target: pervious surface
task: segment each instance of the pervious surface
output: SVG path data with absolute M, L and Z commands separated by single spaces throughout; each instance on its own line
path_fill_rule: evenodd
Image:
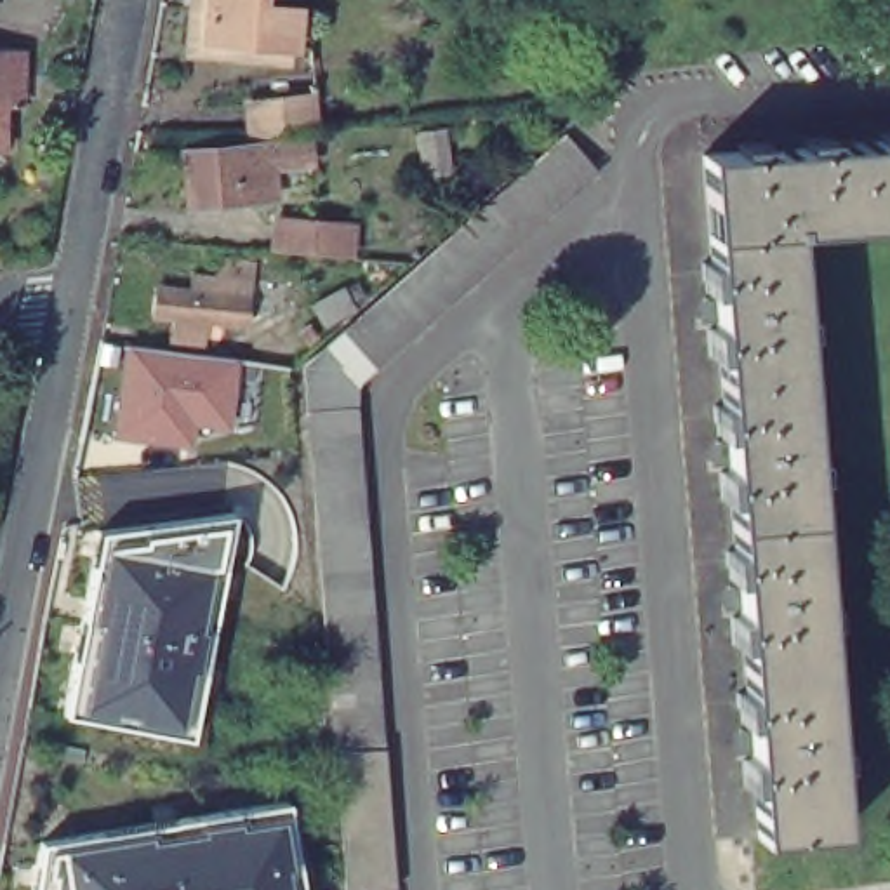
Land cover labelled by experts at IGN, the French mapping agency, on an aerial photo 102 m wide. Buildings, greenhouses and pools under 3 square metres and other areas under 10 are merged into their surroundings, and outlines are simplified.
M 734 841 L 716 845 L 720 880 L 727 890 L 758 890 L 751 855 L 744 855 Z

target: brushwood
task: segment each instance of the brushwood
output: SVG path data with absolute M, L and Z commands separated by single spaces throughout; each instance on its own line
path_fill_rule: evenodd
M 129 747 L 87 747 L 87 751 L 87 761 L 80 770 L 177 787 L 181 779 L 177 772 L 160 768 L 160 756 L 132 754 Z
M 337 97 L 320 108 L 320 118 L 323 125 L 341 129 L 393 118 L 396 104 L 355 108 Z
M 247 125 L 184 118 L 153 122 L 143 129 L 149 146 L 153 153 L 174 163 L 181 156 L 184 149 L 243 146 L 250 136 Z
M 243 257 L 261 264 L 261 250 L 271 247 L 264 240 L 174 233 L 163 223 L 132 223 L 125 226 L 125 236 L 149 233 L 167 243 L 219 247 L 223 264 Z
M 504 94 L 410 104 L 414 115 L 448 108 L 501 108 L 508 104 Z

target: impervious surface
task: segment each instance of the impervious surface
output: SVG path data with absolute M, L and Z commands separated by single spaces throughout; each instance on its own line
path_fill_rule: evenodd
M 508 257 L 508 264 L 494 278 L 487 278 L 487 289 L 469 306 L 445 316 L 435 327 L 435 334 L 428 334 L 403 362 L 393 362 L 386 372 L 375 369 L 358 396 L 372 594 L 379 633 L 382 730 L 393 796 L 396 890 L 727 890 L 720 880 L 716 845 L 734 841 L 744 855 L 751 855 L 751 845 L 758 841 L 758 796 L 747 772 L 754 747 L 737 713 L 744 692 L 744 657 L 730 636 L 730 622 L 720 615 L 727 601 L 734 605 L 741 598 L 727 577 L 727 549 L 734 532 L 727 521 L 727 504 L 720 497 L 720 480 L 706 473 L 706 462 L 716 455 L 720 438 L 720 369 L 706 348 L 706 337 L 695 330 L 695 320 L 702 316 L 702 299 L 709 296 L 702 285 L 702 261 L 709 247 L 702 233 L 706 198 L 699 177 L 706 156 L 720 160 L 723 153 L 741 153 L 749 146 L 890 137 L 890 56 L 876 59 L 876 49 L 869 49 L 869 42 L 862 38 L 841 38 L 834 52 L 820 49 L 807 49 L 807 56 L 789 49 L 734 52 L 681 70 L 640 66 L 633 83 L 619 83 L 615 115 L 598 122 L 591 132 L 577 125 L 570 139 L 598 167 L 588 177 L 588 188 L 577 191 L 577 202 L 553 226 L 546 226 L 546 233 L 535 236 L 521 254 Z M 535 296 L 546 285 L 563 285 L 574 299 L 594 302 L 608 313 L 615 330 L 608 358 L 584 362 L 581 372 L 560 372 L 539 365 L 521 348 L 521 309 L 528 296 Z M 407 445 L 407 424 L 424 389 L 445 393 L 445 403 L 438 407 L 445 428 L 442 455 L 424 455 Z M 438 549 L 445 546 L 448 525 L 469 535 L 469 546 L 480 563 L 473 584 L 455 584 L 438 567 Z M 615 650 L 626 657 L 622 685 L 594 685 L 588 664 L 588 654 L 594 650 Z
M 14 104 L 10 115 L 10 143 L 21 143 L 21 118 L 35 101 L 42 76 L 42 73 L 38 49 L 28 56 L 24 97 Z
M 264 309 L 275 320 L 296 316 L 299 302 L 285 299 L 285 292 L 296 282 L 264 282 L 261 268 L 250 285 L 250 313 Z
M 87 455 L 87 469 L 80 469 L 80 483 L 73 483 L 70 476 L 80 452 L 80 407 L 90 365 L 97 362 L 97 348 L 136 348 L 136 334 L 125 334 L 111 323 L 111 289 L 122 271 L 118 240 L 125 236 L 125 226 L 132 223 L 163 223 L 174 233 L 264 240 L 282 216 L 268 205 L 191 212 L 188 209 L 132 209 L 132 198 L 122 191 L 122 181 L 132 167 L 132 149 L 149 146 L 143 129 L 153 122 L 146 115 L 149 90 L 160 87 L 158 63 L 165 0 L 87 0 L 90 24 L 97 28 L 94 63 L 83 80 L 76 76 L 76 87 L 82 96 L 73 129 L 76 143 L 70 167 L 66 177 L 56 254 L 49 254 L 42 268 L 0 271 L 0 330 L 17 341 L 14 369 L 28 369 L 35 375 L 31 400 L 17 410 L 21 469 L 14 480 L 14 497 L 0 511 L 0 876 L 28 739 L 38 688 L 45 636 L 56 633 L 59 640 L 66 626 L 80 622 L 87 560 L 97 556 L 97 539 L 104 532 L 229 515 L 240 518 L 233 567 L 261 570 L 268 581 L 282 581 L 289 567 L 299 563 L 299 528 L 282 490 L 268 476 L 240 462 L 205 462 L 198 452 L 188 445 L 177 455 L 163 448 L 143 452 L 132 442 L 111 438 L 97 438 Z
M 226 417 L 236 435 L 254 431 L 254 414 L 261 407 L 261 379 L 271 365 L 236 362 L 240 386 L 233 417 Z

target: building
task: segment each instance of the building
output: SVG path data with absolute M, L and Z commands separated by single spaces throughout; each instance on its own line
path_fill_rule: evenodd
M 435 177 L 452 174 L 448 136 L 421 132 L 417 153 Z
M 0 167 L 10 156 L 10 143 L 10 115 L 14 104 L 24 97 L 28 56 L 0 52 Z
M 494 278 L 508 264 L 508 257 L 521 254 L 535 236 L 546 233 L 546 226 L 553 226 L 577 202 L 577 191 L 588 188 L 588 177 L 598 167 L 570 139 L 560 136 L 560 143 L 546 149 L 528 167 L 528 174 L 521 174 L 487 209 L 473 212 L 473 219 L 462 223 L 438 250 L 431 250 L 382 299 L 369 296 L 369 278 L 348 278 L 344 292 L 316 302 L 316 316 L 309 320 L 309 330 L 330 341 L 323 355 L 302 362 L 299 476 L 309 483 L 313 494 L 320 608 L 323 622 L 337 626 L 341 636 L 355 647 L 355 668 L 344 671 L 341 685 L 330 692 L 330 727 L 320 727 L 320 747 L 337 754 L 348 768 L 365 758 L 365 786 L 344 814 L 341 841 L 341 890 L 396 890 L 393 796 L 382 730 L 379 633 L 372 594 L 358 396 L 375 369 L 386 372 L 393 362 L 403 362 L 428 334 L 435 334 L 435 327 L 445 316 L 469 306 L 487 289 L 487 278 Z
M 306 10 L 316 10 L 320 0 L 195 0 L 188 7 L 188 59 L 191 63 L 292 70 L 306 49 Z
M 257 807 L 188 817 L 163 827 L 108 831 L 66 841 L 42 827 L 38 841 L 42 848 L 35 862 L 14 873 L 14 880 L 28 890 L 309 890 L 309 869 L 302 855 L 306 827 L 306 820 L 296 817 L 296 807 Z
M 76 727 L 111 730 L 122 737 L 139 737 L 170 747 L 198 747 L 209 716 L 209 706 L 219 640 L 229 608 L 233 567 L 240 518 L 229 515 L 104 532 L 97 539 L 97 556 L 87 560 L 80 622 L 66 626 L 59 640 L 59 650 L 70 657 L 63 706 L 66 723 Z
M 271 247 L 285 257 L 306 261 L 358 257 L 355 226 L 320 223 L 282 216 L 264 240 Z
M 720 615 L 730 622 L 730 636 L 744 657 L 744 692 L 737 713 L 754 747 L 747 772 L 758 796 L 758 841 L 768 852 L 800 848 L 803 855 L 814 855 L 834 852 L 834 845 L 855 845 L 859 838 L 814 247 L 890 236 L 890 137 L 749 146 L 741 153 L 723 153 L 720 160 L 706 156 L 699 177 L 706 198 L 702 233 L 709 247 L 702 261 L 702 285 L 709 296 L 702 299 L 702 316 L 695 320 L 695 330 L 706 337 L 706 348 L 720 369 L 720 438 L 716 455 L 706 462 L 706 473 L 720 480 L 720 497 L 727 504 L 727 521 L 734 532 L 727 549 L 727 577 L 741 598 L 734 605 L 727 601 Z
M 136 348 L 97 348 L 97 362 L 90 365 L 80 407 L 80 452 L 70 476 L 73 483 L 80 483 L 80 469 L 87 469 L 87 455 L 97 438 L 90 435 L 90 414 L 97 379 L 104 369 L 111 369 L 122 379 L 122 393 L 115 400 L 118 428 L 111 438 L 132 442 L 143 452 L 163 448 L 177 455 L 188 445 L 198 452 L 205 452 L 216 438 L 236 435 L 226 417 L 233 417 L 240 386 L 236 362 L 212 358 L 205 344 L 250 344 L 261 330 L 275 327 L 275 320 L 264 309 L 250 313 L 250 285 L 261 268 L 261 264 L 243 257 L 223 264 L 223 271 L 216 275 L 188 275 L 188 289 L 160 285 L 149 299 L 149 316 L 156 327 L 167 327 L 170 344 L 167 351 Z
M 73 765 L 80 772 L 80 770 L 87 761 L 87 751 L 59 747 L 59 765 Z
M 282 174 L 309 176 L 316 170 L 316 153 L 309 143 L 289 143 L 282 129 L 320 118 L 320 108 L 316 94 L 292 97 L 289 87 L 275 87 L 268 101 L 247 104 L 247 125 L 250 136 L 243 146 L 184 149 L 181 156 L 188 209 L 191 212 L 268 205 L 271 195 L 282 191 Z

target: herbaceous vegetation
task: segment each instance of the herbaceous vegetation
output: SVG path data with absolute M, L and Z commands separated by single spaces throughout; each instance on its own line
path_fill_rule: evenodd
M 219 247 L 167 243 L 149 233 L 125 236 L 118 240 L 122 271 L 111 289 L 111 323 L 125 334 L 136 334 L 136 348 L 167 351 L 170 344 L 167 327 L 156 327 L 149 316 L 149 299 L 160 285 L 188 289 L 188 275 L 216 275 L 223 271 L 223 264 Z
M 341 0 L 337 10 L 351 24 L 358 24 L 358 35 L 369 42 L 365 52 L 410 38 L 424 24 L 417 10 L 421 0 Z
M 810 7 L 814 0 L 647 0 L 640 14 L 626 21 L 626 31 L 633 31 L 636 42 L 619 49 L 612 59 L 619 83 L 633 83 L 640 66 L 681 70 L 734 52 L 789 49 L 807 56 L 807 49 L 820 49 L 820 31 Z
M 59 66 L 59 49 L 83 52 L 90 24 L 87 0 L 0 0 L 0 52 L 28 56 L 38 49 L 42 73 L 49 66 Z
M 28 834 L 28 817 L 35 810 L 35 775 L 42 768 L 35 758 L 28 758 L 28 739 L 0 876 L 0 890 L 28 890 L 14 880 L 14 873 L 35 862 L 42 848 L 38 841 Z
M 59 650 L 59 640 L 56 633 L 45 636 L 38 688 L 63 706 L 70 657 Z
M 309 834 L 306 827 L 302 855 L 309 869 L 309 890 L 341 890 L 341 841 Z
M 365 83 L 358 66 L 351 66 L 358 49 L 334 24 L 320 38 L 323 52 L 313 56 L 306 49 L 292 70 L 191 63 L 191 76 L 177 90 L 160 87 L 149 90 L 146 115 L 153 122 L 184 118 L 247 125 L 247 104 L 268 101 L 275 87 L 289 87 L 292 97 L 316 94 L 320 108 L 337 97 L 355 108 L 396 104 L 410 104 L 504 94 L 521 90 L 511 80 L 511 73 L 504 80 L 487 76 L 462 83 L 438 59 L 428 66 L 424 90 L 414 90 L 407 83 L 400 63 L 382 70 L 379 83 Z
M 271 365 L 261 379 L 261 407 L 254 414 L 254 431 L 236 435 L 216 438 L 205 452 L 198 452 L 205 462 L 240 462 L 268 476 L 282 490 L 299 528 L 299 563 L 289 567 L 282 581 L 268 581 L 261 570 L 233 567 L 229 608 L 219 640 L 209 706 L 226 706 L 240 723 L 254 723 L 250 668 L 268 657 L 268 647 L 278 636 L 309 626 L 309 615 L 320 608 L 313 494 L 309 483 L 299 476 L 302 362 L 323 355 L 330 341 L 309 330 L 309 320 L 316 316 L 316 302 L 344 292 L 348 278 L 369 278 L 369 296 L 382 299 L 431 250 L 424 243 L 421 198 L 403 198 L 396 191 L 396 167 L 403 163 L 403 156 L 417 153 L 421 132 L 393 125 L 393 118 L 341 129 L 330 139 L 330 149 L 316 153 L 316 170 L 309 176 L 282 174 L 282 191 L 271 195 L 268 205 L 282 216 L 285 205 L 313 202 L 313 188 L 327 184 L 334 202 L 316 205 L 320 223 L 355 226 L 358 257 L 306 261 L 285 257 L 271 247 L 261 250 L 261 264 L 261 268 L 264 282 L 296 282 L 285 292 L 285 299 L 299 302 L 296 316 L 275 320 L 275 327 L 261 330 L 250 344 L 205 344 L 212 358 L 236 362 Z
M 122 379 L 111 369 L 104 369 L 97 379 L 90 414 L 90 435 L 97 438 L 111 438 L 118 428 L 115 400 L 122 393 Z
M 14 236 L 10 223 L 3 223 L 7 209 L 38 205 L 45 198 L 45 184 L 66 177 L 70 167 L 63 160 L 45 163 L 45 125 L 66 122 L 73 129 L 82 96 L 76 87 L 59 90 L 52 80 L 42 76 L 35 101 L 21 118 L 21 143 L 10 143 L 10 156 L 0 167 L 0 243 Z
M 768 852 L 758 841 L 751 845 L 751 855 L 758 890 L 890 890 L 890 626 L 883 626 L 883 619 L 873 608 L 873 535 L 880 515 L 890 518 L 890 236 L 814 247 L 859 838 L 855 845 L 834 845 L 834 852 L 814 855 L 803 855 L 800 848 Z
M 407 424 L 407 445 L 424 455 L 442 455 L 445 428 L 438 407 L 445 403 L 445 393 L 424 389 Z
M 195 0 L 165 0 L 158 63 L 188 59 L 188 7 Z
M 76 727 L 87 737 L 87 747 L 129 747 L 132 754 L 160 756 L 160 768 L 177 772 L 181 779 L 202 761 L 212 761 L 219 772 L 226 772 L 233 761 L 247 761 L 257 754 L 275 754 L 289 761 L 299 754 L 316 754 L 320 747 L 320 727 L 299 727 L 292 737 L 226 744 L 219 741 L 219 730 L 209 716 L 198 747 L 170 747 L 139 737 L 122 737 L 111 730 Z
M 80 772 L 76 786 L 52 807 L 42 827 L 66 841 L 108 831 L 163 827 L 188 817 L 257 807 L 296 807 L 296 817 L 306 820 L 299 793 L 257 793 L 223 782 L 219 789 L 184 796 L 177 787 L 80 770 Z

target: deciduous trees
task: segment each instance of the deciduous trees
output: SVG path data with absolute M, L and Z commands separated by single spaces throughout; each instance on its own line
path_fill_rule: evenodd
M 309 626 L 278 636 L 268 647 L 268 657 L 250 668 L 254 723 L 240 723 L 226 706 L 209 706 L 209 716 L 219 730 L 219 741 L 226 744 L 292 737 L 299 727 L 320 727 L 330 727 L 330 692 L 341 685 L 344 671 L 355 668 L 355 647 L 341 636 L 337 626 L 323 622 L 320 608 L 309 615 Z
M 289 761 L 275 754 L 257 754 L 247 761 L 233 761 L 226 772 L 219 772 L 212 761 L 202 761 L 181 779 L 177 787 L 184 796 L 219 789 L 223 782 L 257 793 L 299 793 L 306 820 L 306 827 L 309 834 L 341 841 L 344 814 L 365 786 L 365 758 L 348 768 L 337 754 L 320 747 L 316 754 L 299 754 Z
M 285 205 L 282 216 L 320 223 L 316 205 L 334 202 L 327 184 L 313 188 L 313 202 Z
M 890 0 L 814 0 L 810 7 L 820 31 L 820 49 L 834 52 L 841 38 L 862 38 L 869 42 L 869 49 L 876 49 L 876 59 L 890 56 Z
M 49 66 L 42 73 L 42 76 L 52 80 L 59 90 L 76 87 L 76 76 L 83 80 L 94 63 L 97 28 L 90 24 L 83 52 L 59 49 L 59 66 Z
M 63 160 L 70 167 L 76 143 L 73 129 L 66 122 L 45 125 L 45 163 Z
M 17 341 L 0 330 L 0 511 L 14 497 L 14 480 L 21 469 L 17 410 L 31 400 L 35 375 L 28 369 L 14 369 Z
M 594 302 L 574 299 L 563 285 L 546 285 L 535 296 L 528 296 L 521 309 L 521 348 L 539 365 L 560 372 L 581 372 L 584 362 L 608 358 L 615 330 L 608 313 Z
M 3 223 L 10 223 L 14 236 L 0 243 L 0 271 L 42 268 L 49 254 L 56 254 L 66 177 L 45 184 L 45 198 L 38 205 L 7 209 Z
M 883 626 L 890 626 L 890 518 L 880 515 L 873 535 L 873 608 L 883 619 Z
M 469 535 L 448 525 L 445 546 L 438 549 L 438 567 L 455 584 L 473 584 L 480 563 L 469 546 Z
M 73 765 L 59 765 L 59 747 L 87 751 L 87 747 L 87 737 L 76 727 L 66 723 L 63 706 L 38 688 L 28 739 L 28 758 L 35 758 L 42 768 L 35 775 L 35 810 L 28 817 L 28 834 L 38 841 L 42 827 L 52 807 L 76 786 L 80 772 Z
M 626 657 L 615 650 L 594 650 L 588 654 L 588 664 L 594 685 L 622 685 Z
M 421 0 L 417 10 L 424 24 L 410 38 L 365 52 L 369 42 L 358 35 L 358 24 L 351 24 L 337 10 L 341 0 L 320 0 L 316 10 L 306 10 L 306 49 L 313 56 L 323 52 L 320 38 L 334 24 L 358 49 L 351 66 L 358 66 L 365 83 L 379 83 L 382 70 L 400 63 L 407 83 L 414 90 L 424 90 L 428 66 L 438 59 L 462 83 L 487 76 L 504 80 L 511 73 L 511 80 L 521 90 L 504 94 L 508 104 L 501 108 L 448 108 L 414 115 L 410 104 L 396 104 L 393 118 L 393 125 L 421 132 L 448 136 L 452 174 L 435 177 L 417 153 L 403 156 L 403 163 L 396 167 L 396 191 L 403 198 L 421 198 L 424 243 L 431 250 L 438 250 L 462 223 L 473 219 L 473 212 L 487 209 L 521 174 L 528 174 L 528 167 L 546 149 L 560 143 L 560 136 L 570 139 L 577 125 L 591 132 L 598 122 L 615 115 L 619 83 L 612 59 L 619 49 L 636 42 L 633 31 L 626 31 L 626 21 L 640 14 L 647 0 Z
M 122 181 L 122 191 L 132 198 L 132 209 L 188 209 L 181 156 L 174 163 L 153 153 L 149 146 L 132 149 L 132 167 Z
M 282 129 L 289 143 L 309 143 L 316 153 L 330 149 L 330 139 L 341 129 L 323 125 L 320 118 Z
M 188 59 L 158 63 L 160 87 L 177 90 L 191 76 L 191 63 Z

